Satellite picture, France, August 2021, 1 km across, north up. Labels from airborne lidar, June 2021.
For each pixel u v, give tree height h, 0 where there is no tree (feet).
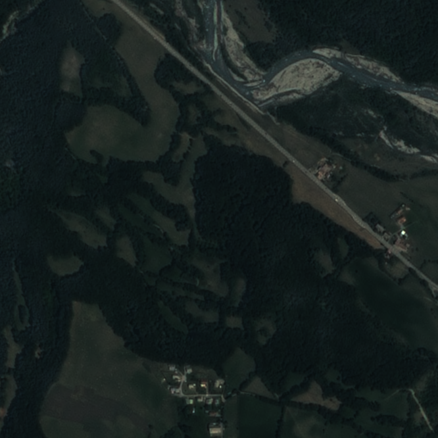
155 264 0
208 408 39
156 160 0
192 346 80
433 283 0
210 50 0
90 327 0
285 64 0
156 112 0
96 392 0
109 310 66
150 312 68
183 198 0
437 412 23
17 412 74
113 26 50
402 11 55
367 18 44
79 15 36
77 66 0
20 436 79
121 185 73
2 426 0
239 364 0
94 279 72
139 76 0
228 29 0
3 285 57
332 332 49
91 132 0
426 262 23
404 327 0
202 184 76
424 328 0
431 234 0
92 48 58
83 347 0
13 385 0
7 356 29
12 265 64
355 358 73
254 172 64
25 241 53
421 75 49
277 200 80
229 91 0
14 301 40
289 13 37
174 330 69
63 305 65
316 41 29
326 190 0
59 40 42
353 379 75
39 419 43
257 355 73
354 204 0
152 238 59
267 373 75
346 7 39
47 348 61
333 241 71
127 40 0
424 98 0
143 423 0
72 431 0
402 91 0
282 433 27
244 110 0
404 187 0
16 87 39
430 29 57
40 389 56
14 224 54
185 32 28
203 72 19
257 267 78
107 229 20
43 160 58
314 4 57
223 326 51
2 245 55
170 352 99
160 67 45
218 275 0
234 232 80
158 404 0
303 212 72
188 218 76
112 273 71
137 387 0
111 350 0
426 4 61
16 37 46
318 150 0
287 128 0
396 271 0
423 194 0
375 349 65
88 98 38
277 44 27
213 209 78
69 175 62
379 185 0
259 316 34
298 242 55
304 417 0
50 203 50
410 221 0
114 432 0
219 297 34
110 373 0
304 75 0
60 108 35
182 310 58
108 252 60
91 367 0
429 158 0
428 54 48
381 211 0
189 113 56
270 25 28
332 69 0
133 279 75
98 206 43
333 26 40
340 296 55
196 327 66
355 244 71
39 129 55
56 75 39
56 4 48
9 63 42
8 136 20
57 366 42
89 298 82
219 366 53
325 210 0
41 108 55
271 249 55
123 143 0
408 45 46
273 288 56
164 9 24
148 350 82
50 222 69
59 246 64
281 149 0
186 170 0
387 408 0
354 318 64
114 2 0
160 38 0
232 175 77
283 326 50
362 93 25
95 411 0
